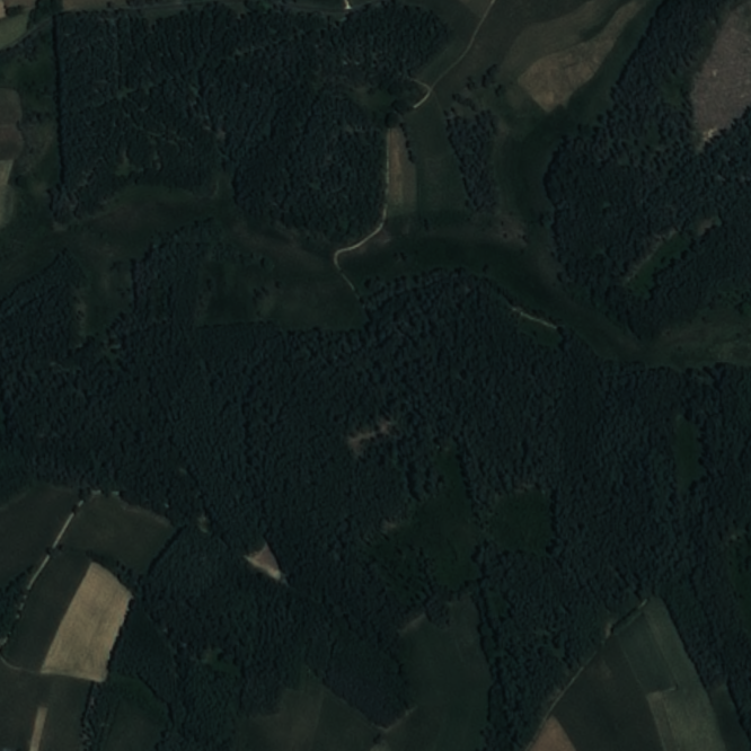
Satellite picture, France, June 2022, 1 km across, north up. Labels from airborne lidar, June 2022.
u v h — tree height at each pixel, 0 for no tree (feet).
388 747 0
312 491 89
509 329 65
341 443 94
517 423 79
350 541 87
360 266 0
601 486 113
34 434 93
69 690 0
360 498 89
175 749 61
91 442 71
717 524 122
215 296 0
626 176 83
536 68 0
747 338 0
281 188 65
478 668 0
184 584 77
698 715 0
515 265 0
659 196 85
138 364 106
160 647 82
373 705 43
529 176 0
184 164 43
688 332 0
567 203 83
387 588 85
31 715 0
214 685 74
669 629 0
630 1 0
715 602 100
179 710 84
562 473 82
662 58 70
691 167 78
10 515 0
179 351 84
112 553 0
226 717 80
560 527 86
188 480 92
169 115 65
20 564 0
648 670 0
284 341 84
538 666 81
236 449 102
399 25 51
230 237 0
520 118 0
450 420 97
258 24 46
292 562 84
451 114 36
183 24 50
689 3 61
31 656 0
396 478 100
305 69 69
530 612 91
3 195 0
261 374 102
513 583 104
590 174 74
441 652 0
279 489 87
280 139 65
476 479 96
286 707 0
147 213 0
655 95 68
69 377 61
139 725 0
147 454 99
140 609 85
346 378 94
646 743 0
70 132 79
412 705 58
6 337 79
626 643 0
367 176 85
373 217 59
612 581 90
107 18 71
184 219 0
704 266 89
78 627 0
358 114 65
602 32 0
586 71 0
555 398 85
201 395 100
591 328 0
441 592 71
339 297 0
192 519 93
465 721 0
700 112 0
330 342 99
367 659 62
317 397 91
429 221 50
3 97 0
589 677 0
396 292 51
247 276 0
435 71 0
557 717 0
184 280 57
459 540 0
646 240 85
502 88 49
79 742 0
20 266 0
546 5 0
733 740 0
